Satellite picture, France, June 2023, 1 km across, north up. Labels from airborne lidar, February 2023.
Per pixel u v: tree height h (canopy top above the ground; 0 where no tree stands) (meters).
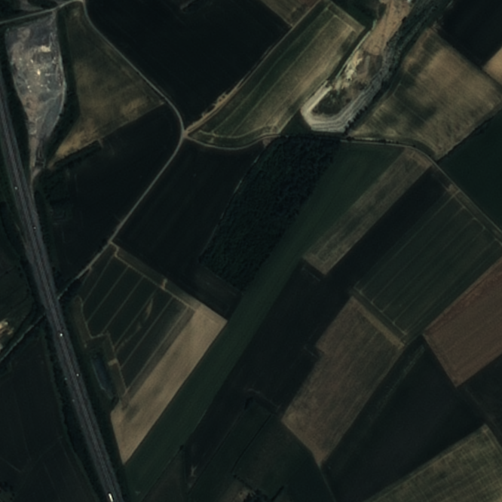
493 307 0
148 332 0
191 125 0
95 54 0
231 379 0
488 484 0
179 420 0
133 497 0
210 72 0
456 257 0
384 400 0
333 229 0
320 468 0
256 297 0
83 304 0
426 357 0
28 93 0
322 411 0
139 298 0
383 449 0
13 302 0
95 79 0
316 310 0
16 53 0
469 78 0
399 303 0
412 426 0
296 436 0
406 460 0
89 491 0
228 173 0
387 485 0
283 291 0
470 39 0
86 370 13
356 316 0
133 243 0
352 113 0
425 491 0
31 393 0
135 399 0
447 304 0
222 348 0
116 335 0
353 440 0
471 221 0
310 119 0
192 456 0
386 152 0
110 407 0
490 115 0
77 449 24
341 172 0
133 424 0
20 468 0
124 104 0
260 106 0
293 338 0
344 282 0
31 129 0
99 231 0
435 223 0
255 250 9
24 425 0
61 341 0
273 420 0
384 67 0
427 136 0
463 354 0
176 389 0
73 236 0
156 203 0
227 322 0
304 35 0
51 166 0
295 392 0
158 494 0
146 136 0
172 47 0
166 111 0
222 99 0
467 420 0
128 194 0
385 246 0
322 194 0
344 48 0
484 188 0
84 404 0
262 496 11
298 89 0
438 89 0
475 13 0
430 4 0
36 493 0
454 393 0
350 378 0
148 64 0
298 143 14
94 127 0
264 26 0
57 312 0
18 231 10
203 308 0
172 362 0
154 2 0
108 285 0
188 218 0
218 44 0
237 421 0
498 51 0
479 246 0
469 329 0
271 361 0
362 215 0
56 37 0
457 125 0
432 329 0
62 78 0
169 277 0
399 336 0
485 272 0
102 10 0
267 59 0
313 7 0
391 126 0
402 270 0
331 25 0
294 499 0
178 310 0
